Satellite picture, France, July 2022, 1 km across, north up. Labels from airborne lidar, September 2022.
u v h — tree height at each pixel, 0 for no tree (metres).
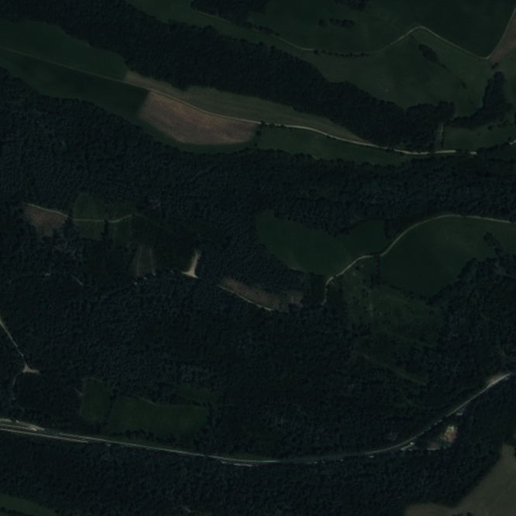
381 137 21
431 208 11
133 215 8
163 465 31
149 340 11
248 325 18
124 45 20
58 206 0
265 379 12
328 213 29
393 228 24
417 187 34
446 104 17
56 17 14
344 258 0
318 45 0
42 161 27
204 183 23
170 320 9
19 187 31
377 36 0
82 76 0
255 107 0
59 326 18
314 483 28
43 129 28
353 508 28
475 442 30
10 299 12
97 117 9
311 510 16
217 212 27
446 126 10
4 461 12
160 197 19
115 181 25
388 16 0
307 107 19
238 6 13
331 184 18
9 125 24
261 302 0
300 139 0
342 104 26
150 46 19
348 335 25
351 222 20
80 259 30
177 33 20
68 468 11
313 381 10
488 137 0
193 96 0
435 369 24
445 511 0
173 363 19
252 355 20
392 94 0
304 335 20
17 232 14
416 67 0
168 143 0
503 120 16
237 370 15
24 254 25
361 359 13
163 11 0
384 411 13
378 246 0
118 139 24
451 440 0
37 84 0
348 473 11
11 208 29
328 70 0
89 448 21
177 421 0
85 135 21
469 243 0
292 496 22
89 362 24
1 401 30
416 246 0
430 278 0
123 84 0
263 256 17
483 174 7
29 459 11
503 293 12
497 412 18
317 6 0
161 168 27
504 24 0
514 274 28
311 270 0
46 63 0
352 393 16
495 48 0
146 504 22
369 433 17
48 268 30
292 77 26
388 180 26
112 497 17
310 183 19
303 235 0
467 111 0
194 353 12
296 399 15
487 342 33
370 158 0
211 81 13
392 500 22
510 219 13
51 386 21
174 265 6
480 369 32
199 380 20
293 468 23
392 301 0
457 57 0
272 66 23
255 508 15
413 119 24
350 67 0
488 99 15
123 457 24
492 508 0
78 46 0
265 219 0
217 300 29
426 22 0
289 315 11
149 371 29
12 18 19
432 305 24
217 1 12
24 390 13
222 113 0
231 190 13
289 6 0
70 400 14
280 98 21
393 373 26
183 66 23
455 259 0
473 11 0
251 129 0
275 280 21
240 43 10
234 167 17
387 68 0
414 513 0
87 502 22
